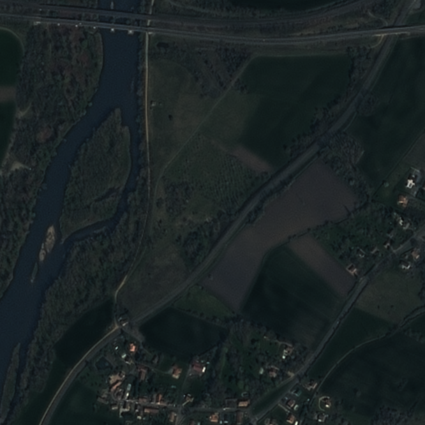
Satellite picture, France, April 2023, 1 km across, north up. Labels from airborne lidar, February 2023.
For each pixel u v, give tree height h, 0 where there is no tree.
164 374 0
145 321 0
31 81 17
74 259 27
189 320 0
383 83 0
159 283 0
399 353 0
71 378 0
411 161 0
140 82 5
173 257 0
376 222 9
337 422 12
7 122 0
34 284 0
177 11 16
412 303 0
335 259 0
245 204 0
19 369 0
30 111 0
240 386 20
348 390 0
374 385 0
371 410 0
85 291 6
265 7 0
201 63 0
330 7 6
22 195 23
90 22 14
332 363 0
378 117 0
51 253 0
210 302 0
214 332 0
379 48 0
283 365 11
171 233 0
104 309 0
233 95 0
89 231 0
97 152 21
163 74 0
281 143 0
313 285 0
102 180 22
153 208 15
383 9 14
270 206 0
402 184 0
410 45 0
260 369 0
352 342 0
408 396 0
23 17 0
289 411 0
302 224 0
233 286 0
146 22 7
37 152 23
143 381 8
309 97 0
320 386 0
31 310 0
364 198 19
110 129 22
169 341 0
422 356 0
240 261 0
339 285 0
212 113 0
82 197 11
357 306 0
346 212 0
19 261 0
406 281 0
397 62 0
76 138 0
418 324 0
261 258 0
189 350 0
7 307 0
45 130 18
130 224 31
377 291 0
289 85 0
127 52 0
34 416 0
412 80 0
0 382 0
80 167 20
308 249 0
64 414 0
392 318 0
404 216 9
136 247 14
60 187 0
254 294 0
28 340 0
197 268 0
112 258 31
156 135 0
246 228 0
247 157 0
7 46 0
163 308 0
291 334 0
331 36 0
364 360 0
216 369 26
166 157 0
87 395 0
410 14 0
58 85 16
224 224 0
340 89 0
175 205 12
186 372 0
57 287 28
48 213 0
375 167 0
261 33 14
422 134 0
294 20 0
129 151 0
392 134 0
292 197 0
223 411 0
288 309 0
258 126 0
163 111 0
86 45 15
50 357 17
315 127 15
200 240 20
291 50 0
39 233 0
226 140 0
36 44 14
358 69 7
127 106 0
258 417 0
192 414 14
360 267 18
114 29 0
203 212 0
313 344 0
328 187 0
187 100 0
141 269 0
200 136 10
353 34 0
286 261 0
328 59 0
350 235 6
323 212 0
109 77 0
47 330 22
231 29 9
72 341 0
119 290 0
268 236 0
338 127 0
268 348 0
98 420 0
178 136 0
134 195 23
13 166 0
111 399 8
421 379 0
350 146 21
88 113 0
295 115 0
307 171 0
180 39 0
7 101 0
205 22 0
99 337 0
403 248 0
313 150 0
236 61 12
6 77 0
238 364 22
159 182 0
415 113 0
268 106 0
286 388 0
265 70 0
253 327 9
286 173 0
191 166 8
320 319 0
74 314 6
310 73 0
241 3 0
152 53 12
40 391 14
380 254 10
